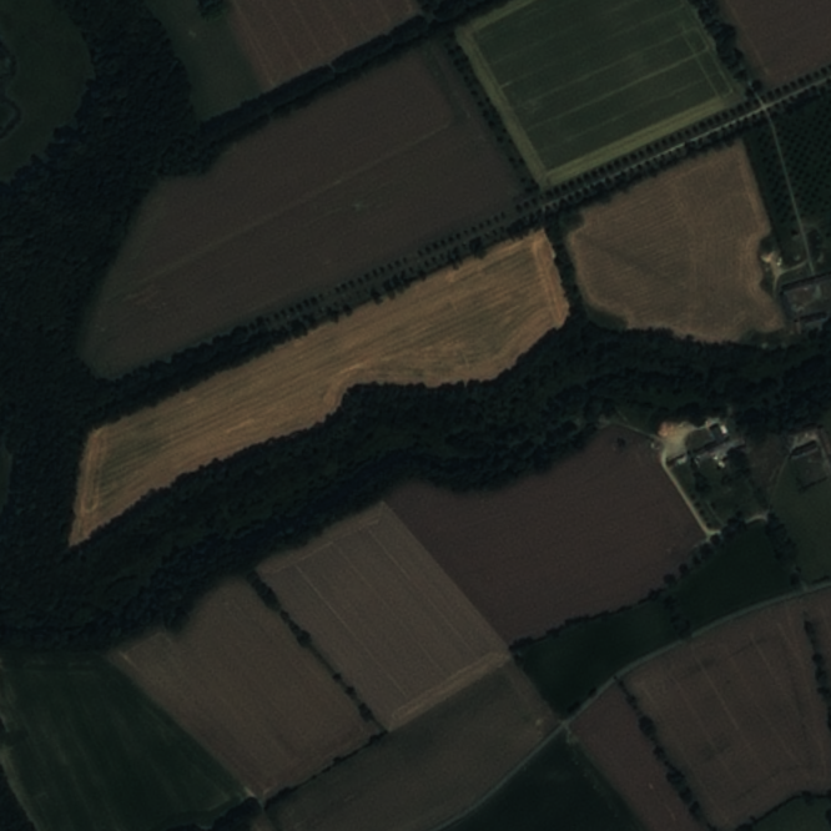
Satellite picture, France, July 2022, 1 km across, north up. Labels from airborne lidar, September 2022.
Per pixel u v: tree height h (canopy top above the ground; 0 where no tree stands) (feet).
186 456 0
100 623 64
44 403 59
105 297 0
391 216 0
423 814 0
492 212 0
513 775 0
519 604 0
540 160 0
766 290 0
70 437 52
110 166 75
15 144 0
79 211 75
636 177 50
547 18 0
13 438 68
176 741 0
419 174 0
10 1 0
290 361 0
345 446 61
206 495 75
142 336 0
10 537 79
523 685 0
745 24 0
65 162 90
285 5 0
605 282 0
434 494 0
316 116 0
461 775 0
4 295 110
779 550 52
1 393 68
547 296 0
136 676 0
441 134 0
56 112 0
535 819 0
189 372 43
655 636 0
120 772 0
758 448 0
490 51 0
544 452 67
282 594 0
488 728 0
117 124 86
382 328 0
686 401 0
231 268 0
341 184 0
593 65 0
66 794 0
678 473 0
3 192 79
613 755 0
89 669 0
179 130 71
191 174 52
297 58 0
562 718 0
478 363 0
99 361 0
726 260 0
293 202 0
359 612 0
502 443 32
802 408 72
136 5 74
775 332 0
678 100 0
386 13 0
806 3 0
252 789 0
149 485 0
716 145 74
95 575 67
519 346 0
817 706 0
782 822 0
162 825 0
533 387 61
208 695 0
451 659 0
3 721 44
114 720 0
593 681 0
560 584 0
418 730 0
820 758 0
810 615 0
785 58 0
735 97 0
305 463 69
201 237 0
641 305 0
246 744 0
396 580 0
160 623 83
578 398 61
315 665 0
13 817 59
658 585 0
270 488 75
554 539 0
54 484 43
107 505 0
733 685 0
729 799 0
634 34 0
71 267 81
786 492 0
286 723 0
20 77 0
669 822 0
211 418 0
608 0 0
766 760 0
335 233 0
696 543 0
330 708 0
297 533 79
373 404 66
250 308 0
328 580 0
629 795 0
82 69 0
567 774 0
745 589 0
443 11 55
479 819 0
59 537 57
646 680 0
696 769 0
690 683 0
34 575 65
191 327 0
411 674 0
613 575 0
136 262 0
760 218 0
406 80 0
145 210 0
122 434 0
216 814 0
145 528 75
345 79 49
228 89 0
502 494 0
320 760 0
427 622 0
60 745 0
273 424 0
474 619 0
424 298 0
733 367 47
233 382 0
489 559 0
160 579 38
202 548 49
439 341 0
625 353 76
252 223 0
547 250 0
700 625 0
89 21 86
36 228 77
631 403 27
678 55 0
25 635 63
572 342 60
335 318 52
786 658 0
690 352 79
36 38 0
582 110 0
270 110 47
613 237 0
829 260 0
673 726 0
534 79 0
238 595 0
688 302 0
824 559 0
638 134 0
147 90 67
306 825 0
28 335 66
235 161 0
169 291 0
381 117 0
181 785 0
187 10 0
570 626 37
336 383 0
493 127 32
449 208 0
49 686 0
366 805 0
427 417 50
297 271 0
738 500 0
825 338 61
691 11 0
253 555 76
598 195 32
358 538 0
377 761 0
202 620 0
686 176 0
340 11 0
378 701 0
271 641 0
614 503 0
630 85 0
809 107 61
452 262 58
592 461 0
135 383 52
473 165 0
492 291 0
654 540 0
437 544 0
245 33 0
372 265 0
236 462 55
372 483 86
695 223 0
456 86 0
